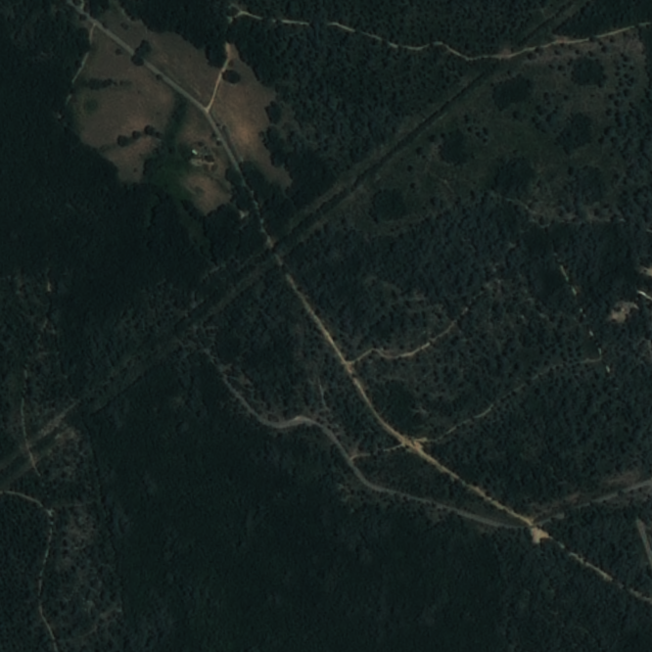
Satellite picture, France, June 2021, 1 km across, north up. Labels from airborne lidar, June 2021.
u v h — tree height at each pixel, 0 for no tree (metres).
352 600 11
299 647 12
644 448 18
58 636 11
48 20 11
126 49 0
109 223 14
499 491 18
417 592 13
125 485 18
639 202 18
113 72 0
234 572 17
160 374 12
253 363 17
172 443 14
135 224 20
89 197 11
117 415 16
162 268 15
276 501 15
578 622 13
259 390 20
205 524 18
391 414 9
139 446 14
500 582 12
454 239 10
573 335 8
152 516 12
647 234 8
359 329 15
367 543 16
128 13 17
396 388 14
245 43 19
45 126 15
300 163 16
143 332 14
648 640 17
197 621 10
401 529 17
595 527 23
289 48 11
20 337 13
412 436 10
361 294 14
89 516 8
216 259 16
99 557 11
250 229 14
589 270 17
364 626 12
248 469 13
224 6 13
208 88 0
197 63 0
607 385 10
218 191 0
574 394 17
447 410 11
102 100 0
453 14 12
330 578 9
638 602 20
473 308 20
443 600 16
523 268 17
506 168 12
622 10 13
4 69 13
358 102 11
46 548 13
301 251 11
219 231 18
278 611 14
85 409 15
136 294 12
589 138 13
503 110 14
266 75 19
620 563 18
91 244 12
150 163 12
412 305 19
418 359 12
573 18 10
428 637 17
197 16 17
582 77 11
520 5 15
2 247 13
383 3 9
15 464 6
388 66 15
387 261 12
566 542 16
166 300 8
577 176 18
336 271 11
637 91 0
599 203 15
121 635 18
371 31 10
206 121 0
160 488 16
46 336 10
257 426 10
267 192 14
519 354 8
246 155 0
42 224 13
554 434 11
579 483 9
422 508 11
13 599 13
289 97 12
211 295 8
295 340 16
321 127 6
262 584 15
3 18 10
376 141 12
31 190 13
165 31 15
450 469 6
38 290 8
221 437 12
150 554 18
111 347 16
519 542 18
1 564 12
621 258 17
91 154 15
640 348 13
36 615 10
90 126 0
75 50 13
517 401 11
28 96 14
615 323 14
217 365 10
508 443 14
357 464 6
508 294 6
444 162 15
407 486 9
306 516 15
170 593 14
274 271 10
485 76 10
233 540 14
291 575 14
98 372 20
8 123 17
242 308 15
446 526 16
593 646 12
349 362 14
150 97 0
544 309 17
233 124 0
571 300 19
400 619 13
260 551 15
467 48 13
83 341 17
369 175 7
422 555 15
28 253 13
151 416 15
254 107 0
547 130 18
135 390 11
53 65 14
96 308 15
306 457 11
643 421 18
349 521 16
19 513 13
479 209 11
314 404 7
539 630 12
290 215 15
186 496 16
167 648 19
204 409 6
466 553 15
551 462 11
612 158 12
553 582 17
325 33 15
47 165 16
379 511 18
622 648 14
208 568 13
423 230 9
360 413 20
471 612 15
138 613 13
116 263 15
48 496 10
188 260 14
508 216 12
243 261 10
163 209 18
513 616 14
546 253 16
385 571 14
